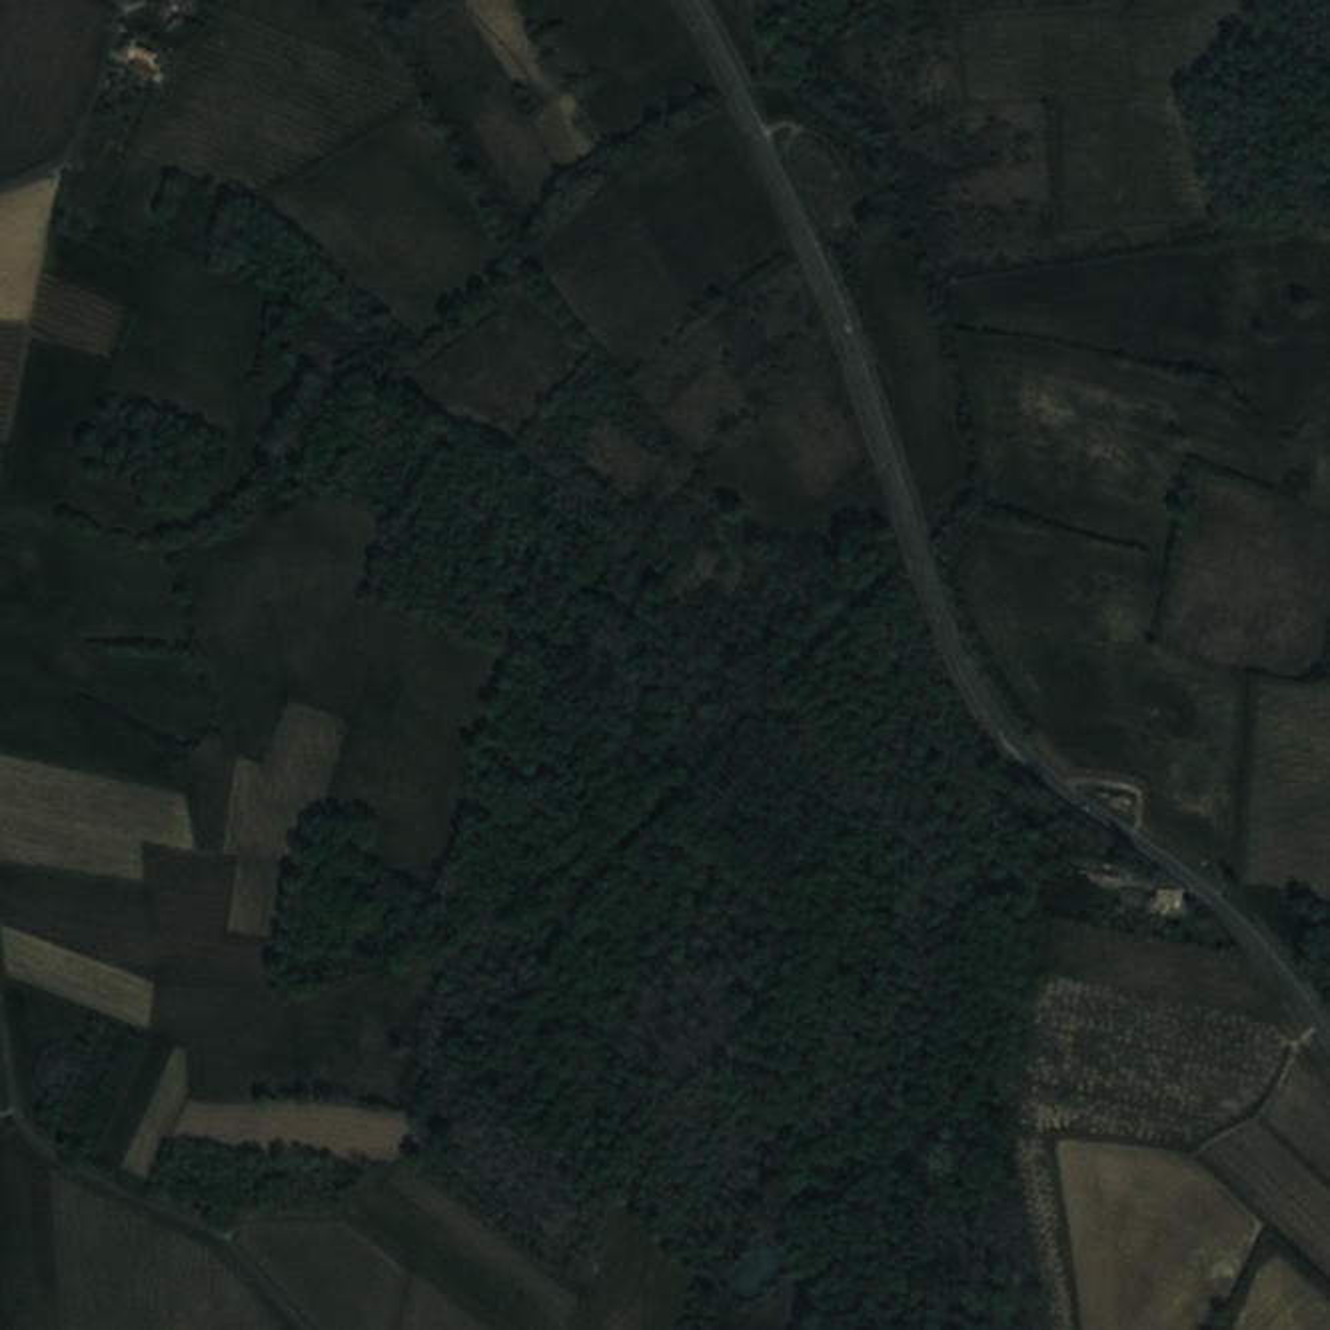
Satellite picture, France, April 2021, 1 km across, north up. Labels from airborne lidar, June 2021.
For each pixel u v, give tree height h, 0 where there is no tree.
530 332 0
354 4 0
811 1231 22
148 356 0
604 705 14
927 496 0
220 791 0
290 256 16
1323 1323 0
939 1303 18
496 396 0
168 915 0
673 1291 0
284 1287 0
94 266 0
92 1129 9
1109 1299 0
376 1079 0
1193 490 14
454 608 18
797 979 23
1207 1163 0
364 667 0
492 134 0
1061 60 0
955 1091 24
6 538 0
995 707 0
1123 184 0
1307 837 0
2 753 0
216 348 0
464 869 19
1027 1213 13
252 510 10
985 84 0
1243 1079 0
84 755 0
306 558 0
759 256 0
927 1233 26
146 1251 0
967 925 18
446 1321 0
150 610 0
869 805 15
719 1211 18
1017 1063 24
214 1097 0
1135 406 0
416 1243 0
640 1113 18
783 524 0
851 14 8
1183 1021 0
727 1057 19
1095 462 0
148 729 0
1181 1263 0
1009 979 23
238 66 0
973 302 0
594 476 14
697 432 0
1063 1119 0
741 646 10
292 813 0
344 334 6
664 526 9
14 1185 0
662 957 11
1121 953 0
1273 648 0
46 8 0
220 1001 0
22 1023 0
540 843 19
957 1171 25
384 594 15
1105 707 0
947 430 0
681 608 10
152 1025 0
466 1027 9
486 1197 10
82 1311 0
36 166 0
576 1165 12
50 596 0
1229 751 0
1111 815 0
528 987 19
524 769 7
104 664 0
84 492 0
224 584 0
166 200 13
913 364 0
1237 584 0
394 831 0
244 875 0
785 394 0
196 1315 0
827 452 0
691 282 0
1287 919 0
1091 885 10
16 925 0
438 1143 12
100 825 0
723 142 0
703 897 7
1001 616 0
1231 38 15
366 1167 10
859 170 11
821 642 11
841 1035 14
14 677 0
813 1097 10
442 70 0
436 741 0
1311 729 0
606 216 0
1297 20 19
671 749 19
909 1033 24
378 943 11
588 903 22
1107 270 0
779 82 14
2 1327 0
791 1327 0
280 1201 12
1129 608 0
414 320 0
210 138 0
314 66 0
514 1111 14
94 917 0
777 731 22
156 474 25
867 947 15
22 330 0
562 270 0
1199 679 0
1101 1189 0
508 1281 0
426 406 17
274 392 0
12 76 0
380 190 0
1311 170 24
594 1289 0
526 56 0
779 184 0
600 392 11
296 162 0
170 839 0
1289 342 0
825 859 17
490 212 15
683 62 0
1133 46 0
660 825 20
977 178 0
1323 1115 0
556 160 0
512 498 20
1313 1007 0
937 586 0
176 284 0
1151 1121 0
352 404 22
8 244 0
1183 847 0
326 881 20
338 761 0
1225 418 0
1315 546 0
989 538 0
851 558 26
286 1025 0
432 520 17
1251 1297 0
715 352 0
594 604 22
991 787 18
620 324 0
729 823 19
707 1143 7
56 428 0
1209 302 0
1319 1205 0
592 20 0
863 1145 24
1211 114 18
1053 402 0
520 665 20
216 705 7
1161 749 0
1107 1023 0
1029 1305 14
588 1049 21
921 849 10
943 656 19
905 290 0
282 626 0
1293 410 0
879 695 17
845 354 0
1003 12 0
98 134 0
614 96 0
